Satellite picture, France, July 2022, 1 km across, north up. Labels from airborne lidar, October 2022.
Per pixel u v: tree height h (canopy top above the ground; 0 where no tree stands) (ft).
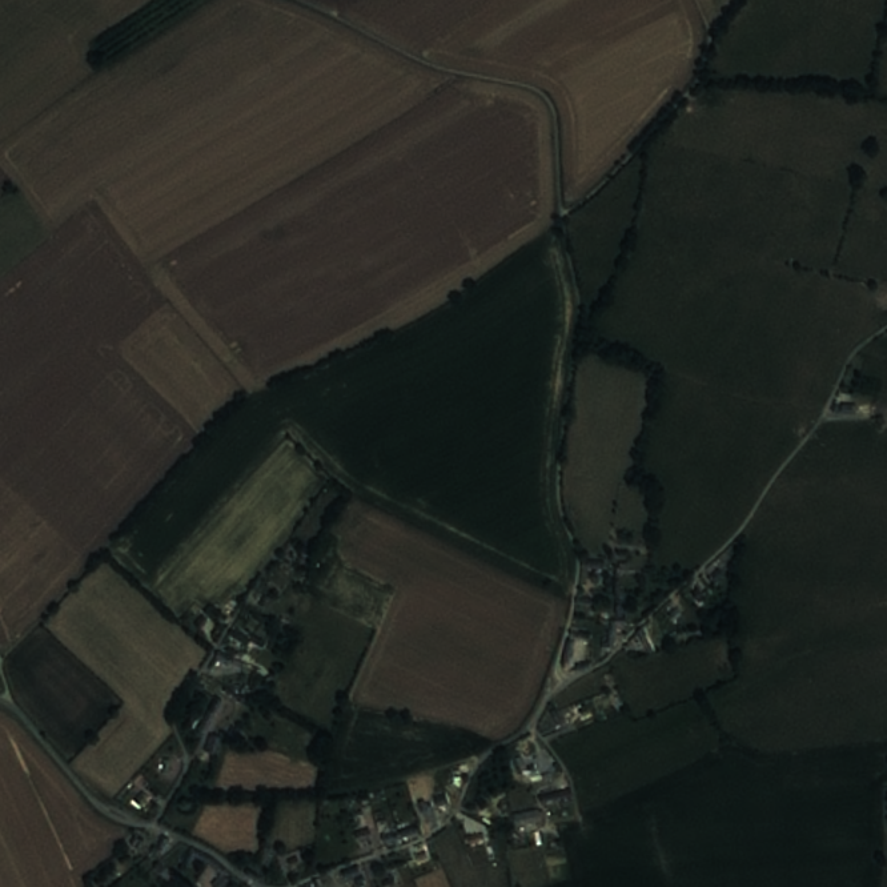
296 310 0
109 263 0
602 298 42
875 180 0
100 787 0
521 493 0
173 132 0
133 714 0
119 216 0
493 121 0
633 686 0
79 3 0
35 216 0
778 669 0
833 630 0
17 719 0
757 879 0
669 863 0
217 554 0
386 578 0
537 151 0
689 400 0
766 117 0
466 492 0
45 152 0
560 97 0
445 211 0
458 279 0
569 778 0
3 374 0
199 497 0
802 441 0
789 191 0
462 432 0
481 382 0
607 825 0
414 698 0
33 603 0
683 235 0
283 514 0
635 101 0
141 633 0
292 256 0
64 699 0
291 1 0
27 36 0
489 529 0
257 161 0
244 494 0
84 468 0
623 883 0
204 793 47
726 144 0
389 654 0
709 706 86
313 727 31
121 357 0
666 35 0
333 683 0
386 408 0
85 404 0
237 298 0
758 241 0
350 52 0
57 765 0
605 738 0
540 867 0
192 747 21
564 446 30
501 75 0
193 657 0
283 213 0
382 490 0
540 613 0
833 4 0
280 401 0
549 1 0
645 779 0
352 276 0
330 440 0
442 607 0
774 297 0
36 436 0
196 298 0
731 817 0
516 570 0
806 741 0
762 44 0
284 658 22
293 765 0
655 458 0
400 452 0
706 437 0
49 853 0
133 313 0
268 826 54
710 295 0
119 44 18
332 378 0
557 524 0
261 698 33
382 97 0
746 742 0
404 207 0
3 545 0
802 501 0
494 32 0
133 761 0
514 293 0
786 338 0
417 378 0
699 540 0
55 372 0
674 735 0
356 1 0
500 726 0
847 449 0
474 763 0
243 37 0
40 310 0
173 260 0
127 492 0
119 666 0
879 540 0
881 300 0
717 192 0
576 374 21
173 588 0
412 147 0
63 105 0
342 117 0
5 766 0
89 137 0
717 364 0
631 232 37
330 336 0
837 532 0
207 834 0
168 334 0
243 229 0
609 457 0
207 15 0
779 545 0
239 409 33
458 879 0
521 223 0
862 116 0
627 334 0
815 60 0
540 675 0
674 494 0
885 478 0
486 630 0
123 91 0
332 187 0
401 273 0
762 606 0
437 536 0
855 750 0
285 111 0
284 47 0
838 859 0
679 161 0
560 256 0
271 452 0
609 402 0
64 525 0
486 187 0
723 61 0
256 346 0
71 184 0
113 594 0
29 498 0
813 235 0
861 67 0
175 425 0
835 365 0
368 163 0
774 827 0
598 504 0
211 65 0
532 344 0
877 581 0
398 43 0
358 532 0
